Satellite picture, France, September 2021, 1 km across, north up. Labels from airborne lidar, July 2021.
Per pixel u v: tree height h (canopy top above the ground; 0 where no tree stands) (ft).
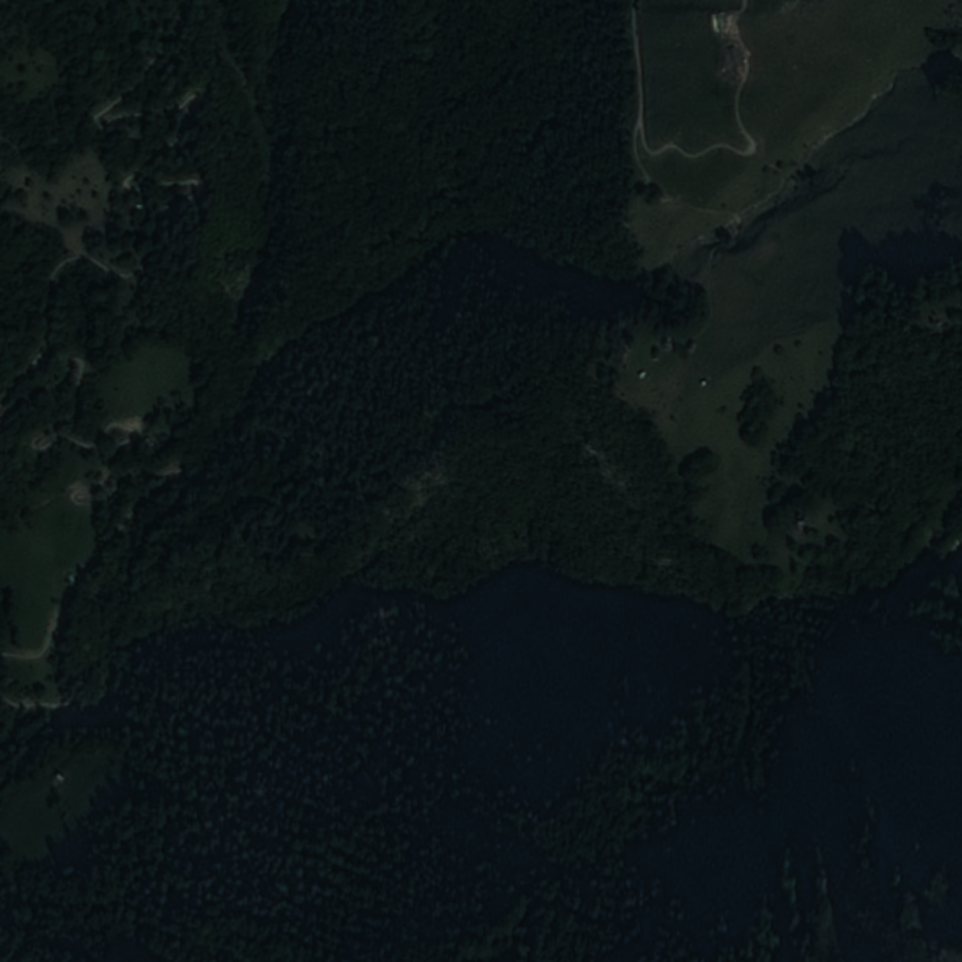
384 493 46
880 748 77
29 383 48
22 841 0
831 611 31
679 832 81
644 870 26
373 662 57
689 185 0
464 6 68
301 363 77
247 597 75
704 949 68
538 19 70
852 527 68
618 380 22
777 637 39
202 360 89
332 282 65
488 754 63
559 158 37
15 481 91
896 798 47
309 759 101
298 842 73
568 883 90
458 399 53
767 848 87
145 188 57
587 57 40
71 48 48
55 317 107
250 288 21
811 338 0
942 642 78
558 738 64
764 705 37
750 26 0
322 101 74
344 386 93
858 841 33
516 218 38
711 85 0
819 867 24
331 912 75
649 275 39
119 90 59
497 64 76
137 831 70
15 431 84
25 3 77
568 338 52
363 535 45
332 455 77
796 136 0
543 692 102
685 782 90
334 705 75
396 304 78
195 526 59
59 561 0
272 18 65
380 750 58
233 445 79
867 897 0
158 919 71
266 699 77
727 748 70
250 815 43
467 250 37
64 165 22
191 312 108
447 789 80
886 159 0
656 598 58
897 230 0
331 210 94
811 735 30
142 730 56
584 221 45
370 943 86
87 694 67
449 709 70
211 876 50
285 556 45
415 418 74
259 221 59
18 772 35
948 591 63
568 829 60
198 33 105
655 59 0
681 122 0
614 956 68
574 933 80
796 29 0
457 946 61
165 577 66
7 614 74
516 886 76
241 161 98
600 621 82
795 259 0
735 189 0
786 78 0
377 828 74
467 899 89
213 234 75
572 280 50
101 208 0
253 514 75
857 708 22
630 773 87
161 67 30
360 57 64
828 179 0
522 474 69
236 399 77
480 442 49
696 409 0
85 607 62
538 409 70
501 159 69
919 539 65
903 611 42
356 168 76
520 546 47
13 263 65
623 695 94
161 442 26
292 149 73
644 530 50
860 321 58
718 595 82
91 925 41
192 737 19
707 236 0
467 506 59
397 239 61
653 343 0
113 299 41
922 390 57
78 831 0
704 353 0
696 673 72
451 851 82
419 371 39
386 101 74
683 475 63
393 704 50
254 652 48
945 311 0
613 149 45
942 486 67
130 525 39
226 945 45
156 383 0
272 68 49
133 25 85
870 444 70
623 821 89
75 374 30
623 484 23
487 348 62
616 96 52
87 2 49
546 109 56
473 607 58
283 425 53
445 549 65
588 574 69
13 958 54
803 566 21
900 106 0
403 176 73
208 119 86
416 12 59
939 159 0
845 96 0
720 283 0
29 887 19
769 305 0
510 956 23
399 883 81
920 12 0
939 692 44
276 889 69
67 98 33
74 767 0
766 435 48
